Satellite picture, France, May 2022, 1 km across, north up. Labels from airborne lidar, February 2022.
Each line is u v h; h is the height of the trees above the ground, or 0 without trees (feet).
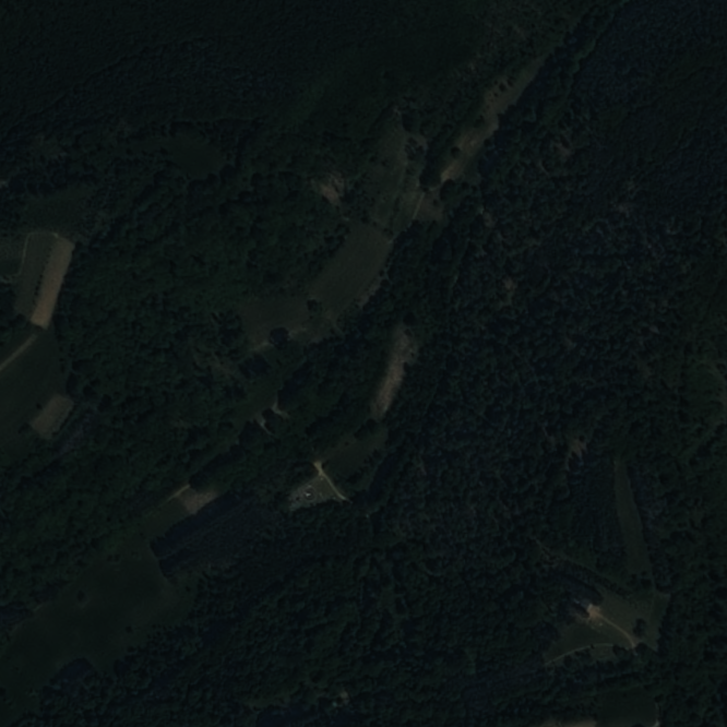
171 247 100
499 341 118
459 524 98
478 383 98
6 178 75
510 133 83
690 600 72
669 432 40
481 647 105
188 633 85
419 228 79
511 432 104
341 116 65
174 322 107
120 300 96
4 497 76
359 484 46
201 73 83
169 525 0
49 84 76
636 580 43
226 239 105
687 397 45
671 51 54
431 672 95
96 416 68
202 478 81
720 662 102
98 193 24
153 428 96
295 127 82
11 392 0
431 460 85
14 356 0
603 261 89
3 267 0
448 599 76
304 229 78
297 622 97
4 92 73
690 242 32
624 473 0
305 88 50
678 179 50
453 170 0
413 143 0
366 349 104
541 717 51
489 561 111
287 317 0
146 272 106
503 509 97
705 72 50
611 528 56
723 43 53
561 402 110
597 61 45
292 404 84
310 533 41
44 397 0
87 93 84
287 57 67
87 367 61
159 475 88
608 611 0
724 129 46
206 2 75
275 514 61
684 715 37
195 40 83
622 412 69
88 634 0
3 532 92
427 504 89
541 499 62
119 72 72
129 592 0
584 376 93
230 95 78
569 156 0
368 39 59
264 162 52
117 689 63
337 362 56
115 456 106
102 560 0
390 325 76
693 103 50
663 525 43
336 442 46
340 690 49
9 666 0
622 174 45
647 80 40
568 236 41
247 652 63
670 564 62
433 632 60
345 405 76
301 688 31
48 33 66
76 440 87
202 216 91
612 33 61
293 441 68
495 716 80
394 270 54
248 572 62
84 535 99
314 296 0
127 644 0
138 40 75
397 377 0
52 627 0
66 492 84
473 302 111
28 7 66
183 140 0
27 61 68
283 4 69
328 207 84
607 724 0
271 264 96
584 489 52
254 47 69
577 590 71
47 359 0
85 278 82
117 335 104
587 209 30
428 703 73
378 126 83
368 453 0
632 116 50
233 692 48
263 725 54
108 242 68
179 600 0
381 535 99
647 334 67
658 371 22
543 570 74
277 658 94
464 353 85
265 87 89
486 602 121
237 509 95
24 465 31
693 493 49
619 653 39
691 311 53
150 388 75
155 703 108
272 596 85
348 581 58
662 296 78
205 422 100
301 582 82
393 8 54
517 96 0
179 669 88
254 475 84
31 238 0
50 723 46
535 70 0
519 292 22
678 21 54
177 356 104
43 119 83
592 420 83
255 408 0
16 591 92
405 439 66
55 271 0
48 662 0
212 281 102
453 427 110
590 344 102
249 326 0
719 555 48
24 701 0
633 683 29
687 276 29
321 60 57
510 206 105
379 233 0
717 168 43
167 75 86
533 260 33
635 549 0
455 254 81
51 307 0
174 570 83
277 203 123
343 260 0
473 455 92
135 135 18
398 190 0
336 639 30
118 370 82
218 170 0
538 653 74
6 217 34
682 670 101
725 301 65
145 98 81
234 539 99
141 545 0
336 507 44
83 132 112
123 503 95
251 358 0
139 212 66
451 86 63
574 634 0
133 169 27
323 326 0
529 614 117
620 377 93
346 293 0
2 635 76
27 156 98
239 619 81
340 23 66
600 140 43
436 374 42
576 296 75
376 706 60
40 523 85
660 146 40
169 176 31
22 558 97
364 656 25
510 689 73
